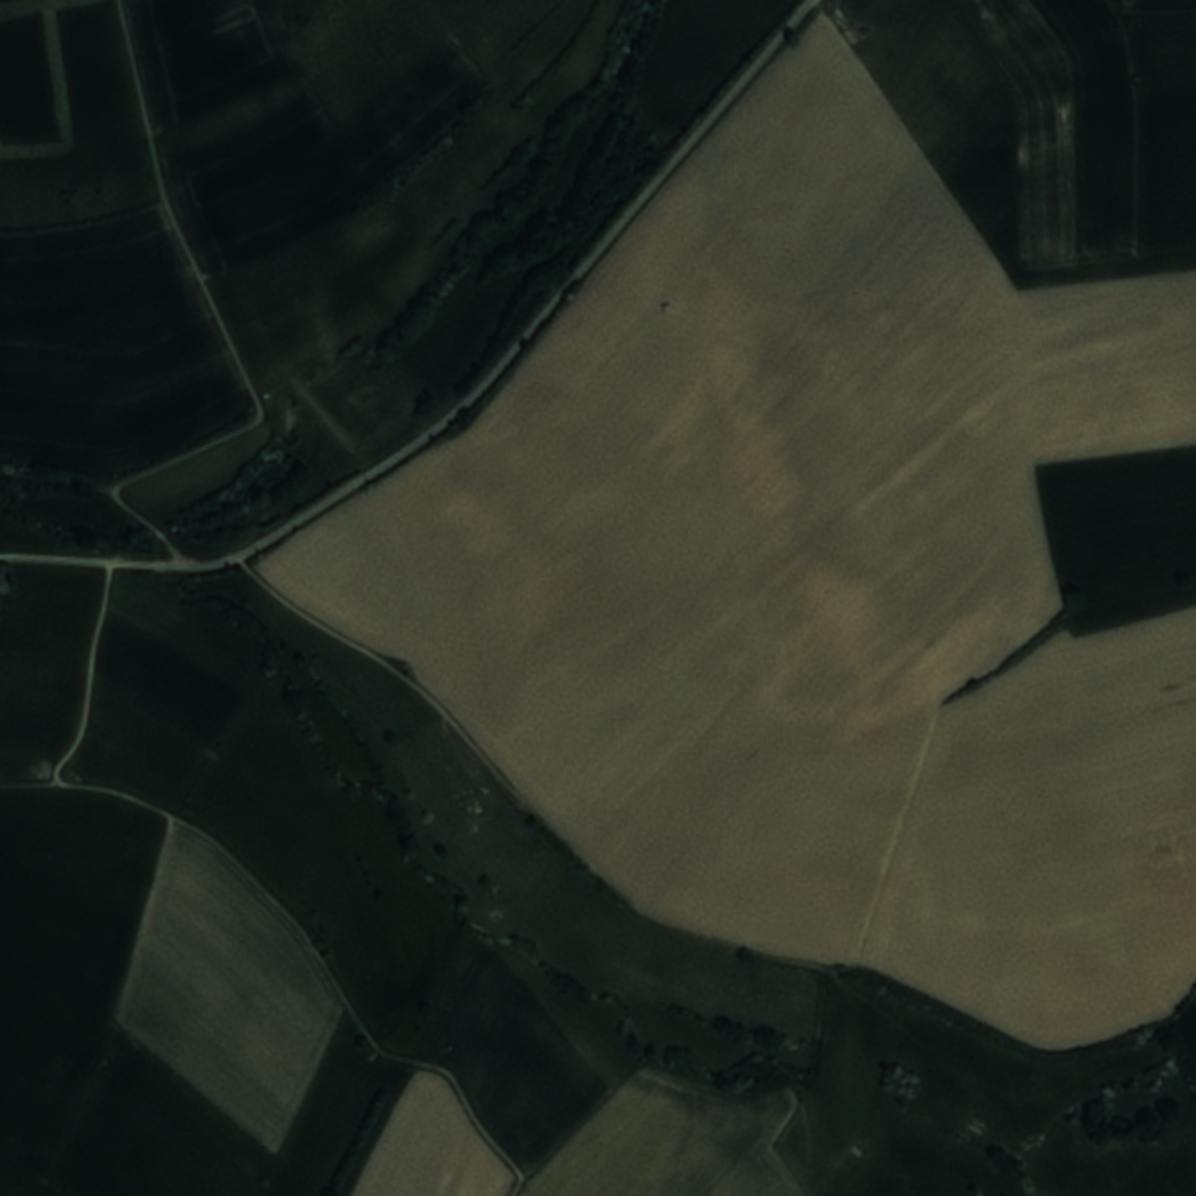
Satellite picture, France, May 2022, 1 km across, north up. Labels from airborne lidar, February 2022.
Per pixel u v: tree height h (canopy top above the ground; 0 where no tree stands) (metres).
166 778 0
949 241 0
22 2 0
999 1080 0
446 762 0
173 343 0
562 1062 0
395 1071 0
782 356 0
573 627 0
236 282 0
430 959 0
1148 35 0
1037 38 0
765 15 0
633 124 11
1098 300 0
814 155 0
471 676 0
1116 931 0
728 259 0
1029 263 0
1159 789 0
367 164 0
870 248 0
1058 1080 0
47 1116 0
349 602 0
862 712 0
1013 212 0
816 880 0
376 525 0
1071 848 0
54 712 0
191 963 0
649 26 10
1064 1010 0
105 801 0
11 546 0
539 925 0
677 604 0
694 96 0
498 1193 0
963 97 0
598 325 0
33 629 0
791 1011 0
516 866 0
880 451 0
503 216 16
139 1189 0
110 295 0
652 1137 0
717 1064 0
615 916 0
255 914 0
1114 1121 6
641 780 0
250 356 0
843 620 0
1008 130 0
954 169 0
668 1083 0
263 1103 0
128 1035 0
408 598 0
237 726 0
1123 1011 0
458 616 0
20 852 0
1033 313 0
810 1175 0
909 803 0
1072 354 0
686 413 0
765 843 0
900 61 0
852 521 0
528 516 0
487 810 0
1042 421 0
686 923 0
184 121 0
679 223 0
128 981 0
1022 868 0
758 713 0
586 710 0
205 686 0
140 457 0
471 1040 0
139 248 0
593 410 0
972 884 0
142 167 0
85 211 0
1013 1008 0
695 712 0
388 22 0
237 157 0
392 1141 0
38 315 0
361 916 0
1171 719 0
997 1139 0
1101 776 0
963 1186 0
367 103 0
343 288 0
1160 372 0
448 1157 0
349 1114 0
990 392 0
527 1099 0
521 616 0
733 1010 0
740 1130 0
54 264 0
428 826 0
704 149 0
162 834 0
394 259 0
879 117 0
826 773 0
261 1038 0
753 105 0
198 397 0
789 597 0
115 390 0
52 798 0
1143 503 0
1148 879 0
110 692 0
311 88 0
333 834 0
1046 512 0
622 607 0
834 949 0
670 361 0
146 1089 0
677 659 0
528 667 0
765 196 0
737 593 0
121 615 0
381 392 0
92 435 0
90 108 0
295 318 0
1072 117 0
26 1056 0
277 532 0
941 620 0
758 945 0
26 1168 0
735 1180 0
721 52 0
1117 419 0
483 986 0
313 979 0
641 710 0
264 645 12
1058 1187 0
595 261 0
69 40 0
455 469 0
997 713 0
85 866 0
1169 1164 0
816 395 0
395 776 0
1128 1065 0
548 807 0
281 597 0
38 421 0
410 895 0
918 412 0
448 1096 0
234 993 0
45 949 0
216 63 0
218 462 0
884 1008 0
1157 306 0
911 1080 9
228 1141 0
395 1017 0
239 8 0
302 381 0
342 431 0
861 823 0
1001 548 0
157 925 0
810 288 0
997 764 0
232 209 0
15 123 0
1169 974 0
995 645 0
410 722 0
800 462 0
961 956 0
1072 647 0
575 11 0
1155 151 0
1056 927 0
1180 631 0
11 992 0
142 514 0
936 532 0
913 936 0
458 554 0
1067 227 0
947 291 0
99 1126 0
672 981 0
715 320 0
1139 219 0
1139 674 0
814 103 0
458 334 0
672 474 0
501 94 0
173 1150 0
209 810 0
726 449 0
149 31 0
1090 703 0
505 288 0
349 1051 0
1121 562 0
